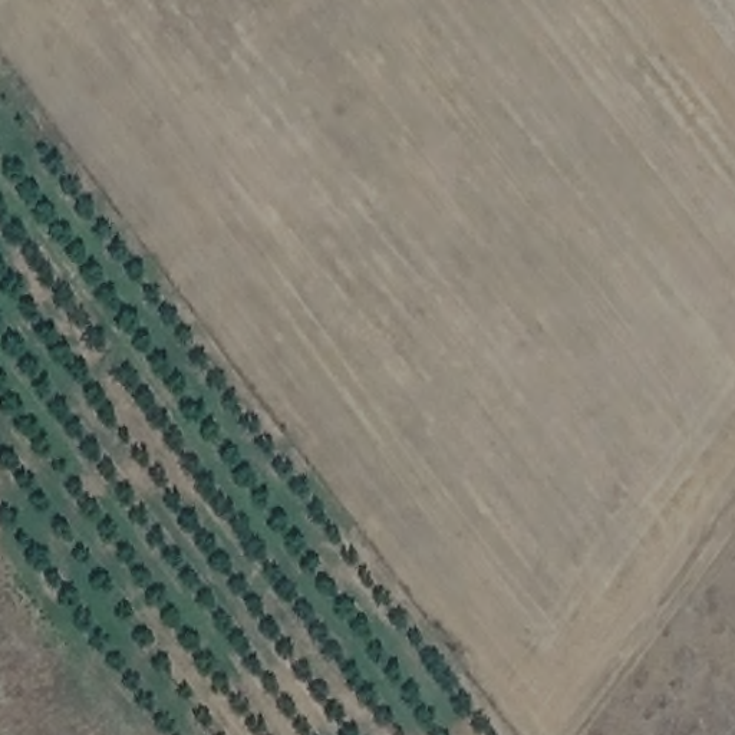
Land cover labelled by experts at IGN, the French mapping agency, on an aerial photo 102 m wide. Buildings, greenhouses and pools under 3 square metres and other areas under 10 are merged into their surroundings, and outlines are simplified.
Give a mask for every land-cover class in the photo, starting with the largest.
<instances>
[{"label":"agricultural land","instance_id":"1","mask_svg":"<svg viewBox=\"0 0 735 735\"><path fill-rule=\"evenodd\" d=\"M0 46L11 57L17 72L29 80L34 98L49 109L72 152L100 178L109 198L121 207L126 224L118 233L126 241V247L141 258L146 253L158 256L161 267L172 276L181 296L198 307L201 322L215 327L233 362L247 370V376L256 382L264 399L293 428L296 442L313 459L316 477H322L336 502L359 525L368 528V534L390 560L393 571L413 589V597L428 609V614L436 617L454 635V640L465 652V663L471 666V672L497 698L502 712L514 721V726L523 735H735V0H0ZM0 735H121L115 726H106V712L92 709L69 666L55 652V646L43 640L37 632H32V617H23L17 612L6 577H0Z\"/></svg>","mask_w":735,"mask_h":735},{"label":"herbaceous vegetation","instance_id":"2","mask_svg":"<svg viewBox=\"0 0 735 735\"><path fill-rule=\"evenodd\" d=\"M37 141L55 144L60 149L63 167L72 175H78L80 189L92 195L98 215L109 221L106 230L95 233L92 224L75 210L72 195L63 192L60 181L52 178V172L46 169L34 146ZM6 155H17L26 172L34 175L37 187L57 204V215L72 224V233L83 238L86 253L100 261L103 278L115 281L118 299L138 307V319L141 327L149 330V342L155 347H164L167 359L187 376L184 390L172 393L164 385V379L152 370L149 359L132 345V336L115 324V313L95 299L78 264L63 253L57 241H52L49 227H43L32 215V207L23 201L14 181L3 172ZM0 192L6 198V210L17 215L29 238L37 241V250L49 261L52 273L69 281L75 301L83 304L92 324L103 327V345L98 350L89 347L86 333L75 322H69L60 304H55L52 293L40 284L37 273L23 258V250L11 244L0 227V253L23 276L29 296L34 299L43 319H52L57 333L69 339L72 353H78L86 362L89 376L103 385L115 408V419L109 425L100 422L98 411L86 402L83 388L66 373L63 365L52 359L49 347L34 333L32 322L23 319L20 304L0 290V316L9 327H14L23 336L26 347L37 356V365L46 370L49 388L66 396L69 411L80 416V425L98 439L100 448V454L92 462L83 457L78 439L69 436L66 428L52 416L49 405L37 396L32 379L20 370L17 359L9 356L0 345V368L6 370L11 390L23 396L26 413H34L49 436V451L37 457L32 451L29 436L14 428L6 411H0V445H11L17 451L20 465L34 474L37 488H43V494L49 497V505L43 511H34L29 494L17 485L14 474L0 468V502L14 505L23 531L49 546V557L57 574L75 583L80 606L92 609V620L103 632H109V637L98 649H92L89 635L72 626V612L57 600V589L49 586L43 571L26 563L23 548L14 543L11 534L0 528V577H6L17 612L23 617H32V632H37L43 640L55 646V652L69 666L92 709L106 712V726H115L121 735H253L241 715L230 709L227 698L212 692V680L195 669V660L178 643L175 629H169L161 620V612L146 603L144 589L135 586L132 571L115 554V546L106 543L98 525L80 514L78 500L66 488V479L72 474L80 477L83 488L98 500V508L115 520V528L123 540L135 546L141 563L152 571V577L167 586L184 623L198 629L201 649H210L215 660H227L233 666V692L247 695L253 712L264 715V724L273 735H299L293 724L278 712L276 701L267 695L261 680L244 666L241 655L215 629L212 614L195 600V591H189L181 583L178 571L161 557L167 546H181L187 563L212 589V597L230 612L233 623L247 635L258 663L276 675L278 686L293 698L296 709L307 718L316 735H339L336 721L324 715L322 703L310 695L307 683L293 675V666L304 657L310 660L316 678H322L330 695L345 706V715L356 721L362 735H425L411 706L402 701V692L388 680L385 669L368 655L362 637H356L347 620H342L333 612V597L316 586V580L301 568L299 557L287 551L284 537L267 525V514L276 505L284 508V517L293 528H301L307 546L319 554V568L336 580L339 591L356 597V609L370 617V629L382 640V649L399 657L402 672L416 680L422 701L434 706L436 726H448L451 735H479L474 732L471 721L454 712L448 695L431 678L408 635L399 632L396 623L388 617L385 606L373 600V591L359 580L356 568H350L342 560V548H356L359 560L368 566L373 580L390 591V597L396 600V606L408 612V620L419 629L425 643L442 655L459 686L468 692L471 706L491 721L497 735H523L514 726V721L502 712L497 698L471 672V666L465 663V652L454 640V635L436 617L428 614V609L413 597V589L393 571L390 560L368 534V528L359 525L336 502L322 477H316L313 459L296 442L293 428L264 399L256 382L247 376V370L233 362L215 327L201 322L198 307L181 296L172 276L161 267L158 256L146 253L141 258L126 247V241L118 233L126 224L121 207L109 198L100 178L72 152L49 109L34 98L29 80L17 72L11 57L0 46ZM121 362H132L141 382L152 390L155 402L167 408V416L178 428L184 448L198 454L201 468L212 471L215 488L233 497V505L247 514L250 528L264 540L267 560L281 566V571L293 580L299 597L310 600L316 620H322L327 626V635L342 646V655L356 660L359 675L373 683L379 703H388L393 709L388 724H379L373 718V712L347 686L342 669L322 655L319 643L310 637L301 617H296L293 606L276 594L261 566L253 557H247L233 525L204 500V494L195 488V479L184 471L181 459L164 442L161 431L149 425V419L135 405L129 390L112 376V368ZM189 396L204 399V408L218 425V434H212L210 439H204L201 428L181 413L178 402ZM227 439L238 442L241 457L253 465L258 479L267 482V500L261 505L253 502L250 488L238 485L230 465L221 459L218 448ZM135 445H146L149 459L164 465V482L155 485L149 474L132 459ZM169 488H178L181 500L195 508L198 523L215 531L218 548L230 554L233 568L247 577L250 589L261 597L264 612L273 614L281 635L293 640V652L278 655L276 643L261 632L258 620L250 614L244 597H238L230 589L227 577L210 566L195 537L187 528H181L175 511H169L164 502V494ZM319 497L330 520L339 525V540L333 543L327 540L324 528L307 514V502ZM112 649L126 655L129 666L138 672L141 686L152 692V703L146 709L135 703V695L123 686L121 675L106 663V655Z\"/></svg>","mask_w":735,"mask_h":735},{"label":"deciduous trees","instance_id":"3","mask_svg":"<svg viewBox=\"0 0 735 735\"><path fill-rule=\"evenodd\" d=\"M34 146L46 169L52 172V178L60 181L63 192L72 195L75 210L92 224L95 233L106 230L109 221L98 215L92 195L80 189L78 175H72L63 167L60 149L55 144L37 141ZM3 172L14 181L23 201L32 207V215L43 227H49L52 241H57L63 253L78 264L95 299L115 313V324L132 336V345L149 359L152 370L164 379V385L172 393L184 390L187 376L167 359L164 347H155L149 342V330L141 327L138 319V307L118 299L115 281L103 278L100 261L86 253L83 238L72 233V224L57 215V204L37 187L34 175L26 172L17 155H6ZM0 227L11 244L23 250V258L37 273L40 284L52 293L55 304H60L69 322H75L86 333L89 347L98 350L103 345V327L92 324L83 304L75 301L69 281L52 273L49 261L37 250V241L29 238L17 215L6 210V198L0 192ZM0 290L20 304L23 319L32 322L34 333L49 347L52 359L63 365L66 373L83 388L86 402L98 411L100 422L109 425L115 419V408L103 385L89 376L86 362L78 353H72L69 339L57 333L52 319H43L34 299L29 296L23 276L0 253ZM0 345L9 356L17 359L20 370L32 379L37 396L49 405L52 416L66 428L69 436L78 439L83 457L92 462L100 454V448L98 439L80 425V416L69 411L66 396L49 388L46 370L37 365V356L26 347L23 336L14 327H9L0 316ZM112 376L129 390L135 405L149 419V425L161 431L164 442L181 459L184 471L195 479V488L204 494V500L233 525L247 557H253L261 566L276 594L293 606L296 617H301L310 637L319 643L322 655L342 669L347 686L373 712V718L379 724H388L393 709L388 703H379L373 683L359 675L356 660L342 655V646L327 635V626L322 620H316L310 600L299 597L293 580L281 571V566L267 560L264 540L250 528L247 514L233 505V497L215 488L212 471L201 468L198 454L184 448L178 428L167 416V408L155 402L152 390L141 382L132 362H121L112 368ZM0 411H6L14 428L29 436L32 451L37 457L49 451V436L34 413H26L23 396L11 390L6 370L0 368ZM181 413L201 428L204 439H210L212 434H218V425L204 408V399L189 396L178 402ZM221 459L230 465L238 485L250 488L253 502L261 505L267 500V482L258 479L253 465L241 457L238 442L227 439L218 448ZM0 468L14 474L17 485L29 494L34 511H43L49 505V497L43 494V488H37L34 474L20 465L17 451L11 445H0ZM132 459L149 474L155 485L164 482V465L149 459L146 445H135ZM66 488L78 500L80 514L98 525L106 543L115 546V554L132 571L135 586L144 589L146 603L161 612V620L169 629H175L178 643L195 660V669L212 680V692L227 698L230 709L241 715L253 735H273L264 724V715L253 712L247 695L233 692V666L227 660H215L210 649H201L198 629L184 623L167 586L152 577V571L141 563L135 546L123 540L115 528V520L98 508V500L83 488L80 477L72 474L66 479ZM164 502L169 511H175L181 528H187L195 537L210 566L227 577L230 589L238 597H244L250 614L258 620L261 632L276 643L278 655L293 652V640L281 635L273 614L264 612L261 597L250 589L247 577L233 568L230 554L218 548L215 531L198 523L195 508L181 500L178 488H169L164 494ZM307 514L324 528L327 540L333 543L339 540V525L330 520L319 497L307 502ZM0 528L11 534L14 543L23 548L26 563L43 571L49 586L57 589V600L72 612V626L89 635L92 649H98L109 637V632H103L92 620V609L80 606L75 583L57 574L49 557V546L23 531L14 505L0 502ZM267 525L284 537L287 551L299 557L301 568L316 580V586L333 597V612L342 620H347L356 637H362L368 655L385 669L388 680L402 692V701L411 706L425 735H451L448 726H436L434 706L422 701L416 680L402 672L399 657L382 649V640L370 629V617L356 609V597L339 591L336 580L319 568V554L307 546L301 528H293L284 517V508L276 505L267 514ZM161 557L178 571L181 583L189 591H195V600L212 614L215 629L241 655L244 666L261 680L267 695L276 701L278 712L293 724L299 735H316L307 718L296 709L293 698L278 686L276 675L258 663L247 635L233 623L230 612L212 597V589L187 563L181 546H167ZM342 560L350 568H356L359 580L373 591V600L385 606L388 617L396 623L399 632L408 635L431 678L448 695L454 712L471 721L474 732L479 735H497L491 721L471 706L468 692L459 686L442 655L425 643L419 629L408 620V612L396 606V600L390 597V591L373 580L368 566L359 560L356 548H342ZM106 663L121 675L123 686L135 695V703L146 709L152 703V692L141 686L138 672L129 666L126 655L112 649L106 655ZM293 675L307 683L310 695L322 703L324 715L336 721L339 735H362L356 721L345 715V706L330 695L322 678H316L310 660L304 657L293 666Z\"/></svg>","mask_w":735,"mask_h":735}]
</instances>
